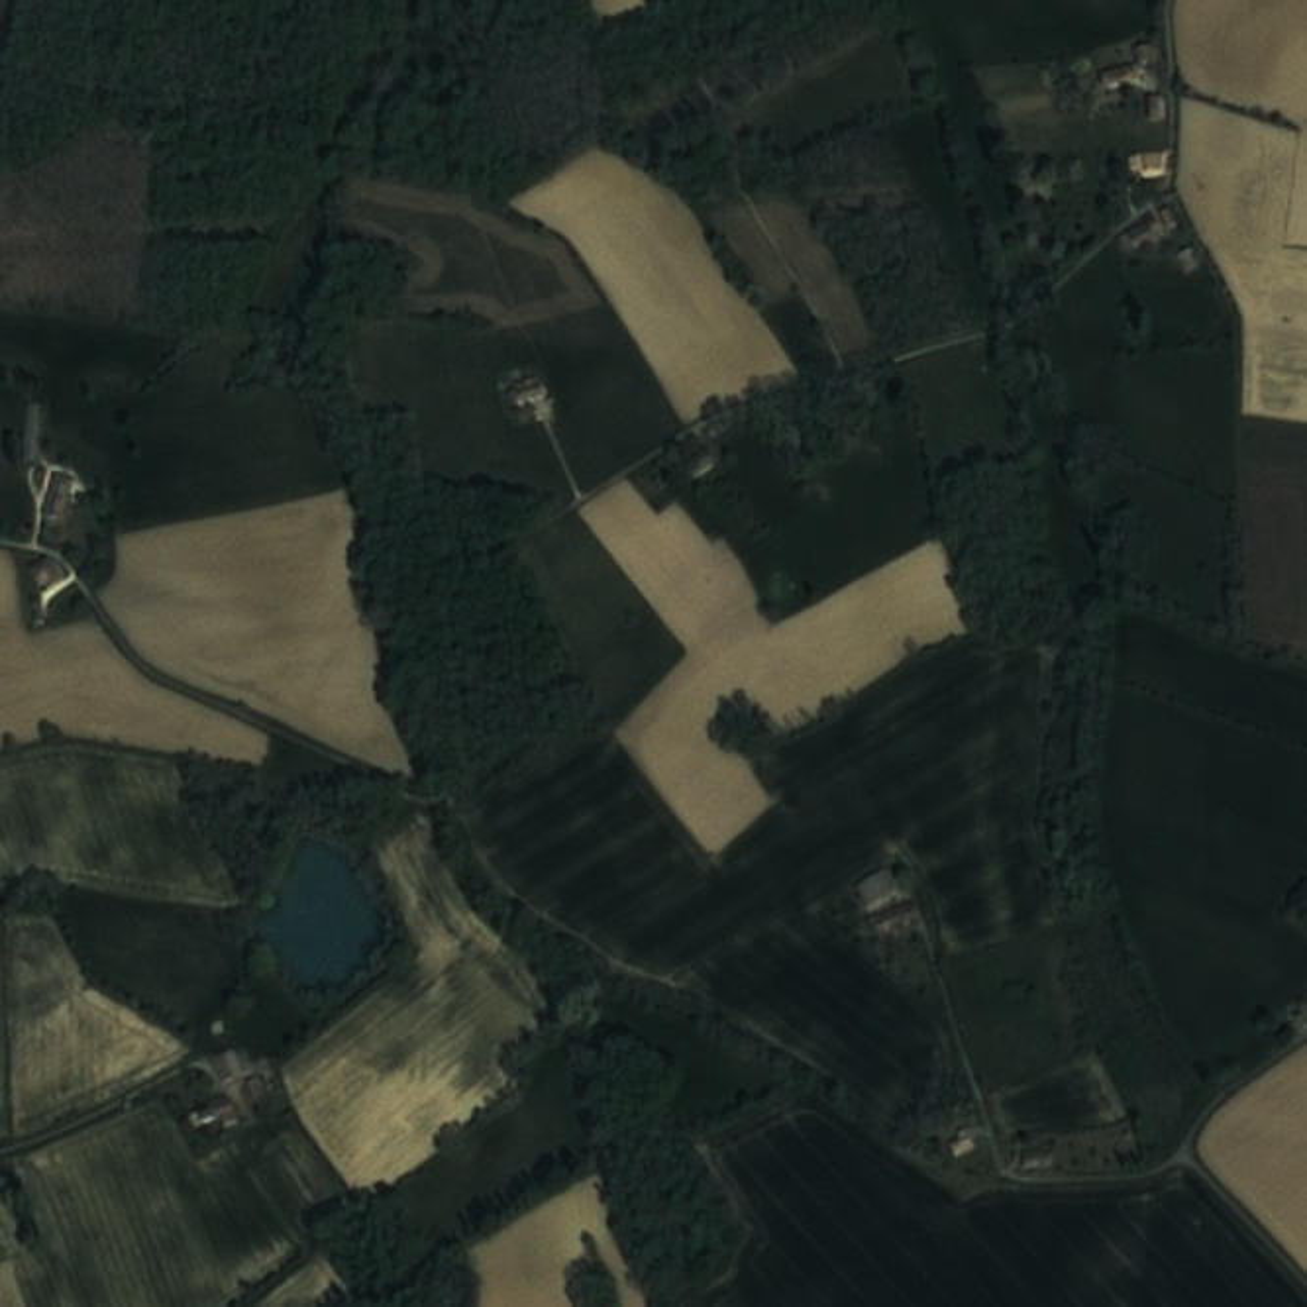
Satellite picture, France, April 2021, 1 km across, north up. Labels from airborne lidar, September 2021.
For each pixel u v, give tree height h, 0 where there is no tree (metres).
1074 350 0
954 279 15
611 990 18
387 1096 0
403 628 29
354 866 7
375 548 21
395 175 20
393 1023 0
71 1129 0
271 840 22
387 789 19
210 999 0
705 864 0
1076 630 14
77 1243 0
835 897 0
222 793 7
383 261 19
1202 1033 0
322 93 21
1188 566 0
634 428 0
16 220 22
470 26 19
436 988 0
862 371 15
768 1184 0
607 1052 28
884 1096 0
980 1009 0
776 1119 0
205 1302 0
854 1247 0
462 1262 27
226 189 22
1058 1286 0
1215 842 0
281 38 21
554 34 21
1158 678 0
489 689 22
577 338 0
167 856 0
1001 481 19
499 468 0
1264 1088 0
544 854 0
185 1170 0
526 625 23
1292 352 0
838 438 18
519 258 0
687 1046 0
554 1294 0
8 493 0
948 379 0
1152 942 0
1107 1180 0
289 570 0
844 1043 0
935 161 0
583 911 0
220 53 18
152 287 21
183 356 14
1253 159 0
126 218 25
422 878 0
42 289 17
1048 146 0
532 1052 20
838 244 12
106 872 0
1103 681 18
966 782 0
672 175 17
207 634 0
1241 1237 0
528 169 17
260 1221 0
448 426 0
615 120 19
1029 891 0
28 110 22
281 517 0
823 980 0
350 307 23
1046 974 0
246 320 12
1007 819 0
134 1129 0
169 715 0
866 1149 0
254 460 0
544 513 15
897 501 0
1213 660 0
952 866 0
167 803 0
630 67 20
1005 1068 0
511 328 0
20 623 0
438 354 0
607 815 0
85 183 26
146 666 0
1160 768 0
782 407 19
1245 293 0
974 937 0
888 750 0
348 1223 23
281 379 12
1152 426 0
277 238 10
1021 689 0
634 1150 25
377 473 22
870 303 14
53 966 0
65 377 0
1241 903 0
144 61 24
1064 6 0
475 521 18
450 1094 0
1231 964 0
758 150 16
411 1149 0
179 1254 0
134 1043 0
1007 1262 0
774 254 0
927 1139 8
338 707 0
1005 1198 0
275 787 0
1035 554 18
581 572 0
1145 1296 0
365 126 21
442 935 0
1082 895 18
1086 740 17
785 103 0
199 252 27
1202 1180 0
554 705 22
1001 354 19
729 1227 20
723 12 23
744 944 0
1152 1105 0
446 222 0
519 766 14
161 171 19
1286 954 0
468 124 23
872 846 0
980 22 0
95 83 24
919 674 0
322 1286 0
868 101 0
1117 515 11
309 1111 0
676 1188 20
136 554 0
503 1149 0
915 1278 0
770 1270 0
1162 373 0
